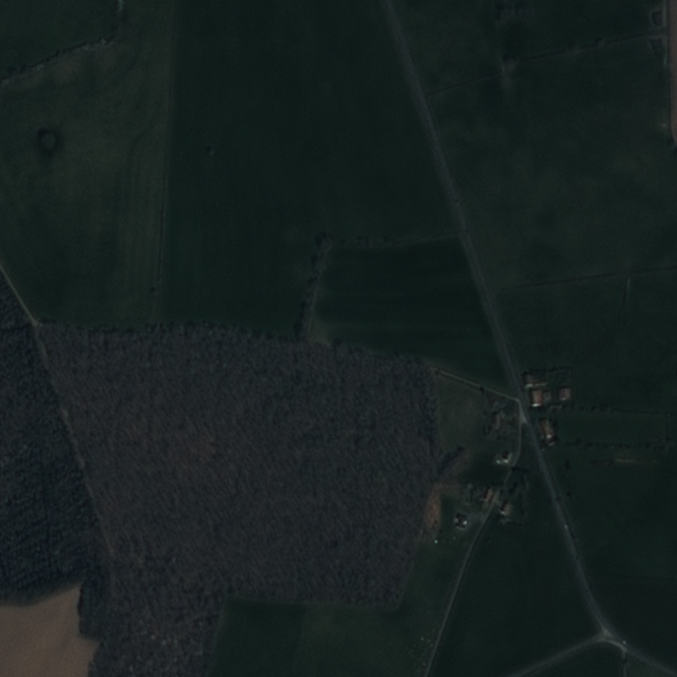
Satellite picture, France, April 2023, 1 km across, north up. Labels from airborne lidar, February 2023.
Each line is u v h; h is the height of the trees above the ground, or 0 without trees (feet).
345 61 0
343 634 0
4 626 0
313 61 0
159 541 65
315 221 0
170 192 0
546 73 0
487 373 0
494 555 0
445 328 0
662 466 0
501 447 0
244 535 75
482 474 0
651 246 0
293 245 0
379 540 86
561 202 0
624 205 0
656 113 0
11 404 51
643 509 0
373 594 59
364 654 0
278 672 0
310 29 0
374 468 81
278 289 0
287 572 70
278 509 86
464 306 0
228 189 0
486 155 0
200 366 67
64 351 53
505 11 56
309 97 0
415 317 0
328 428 82
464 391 0
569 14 0
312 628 0
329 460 85
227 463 77
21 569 57
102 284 0
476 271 0
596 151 0
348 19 0
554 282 0
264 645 0
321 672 0
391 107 0
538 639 0
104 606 61
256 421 80
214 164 0
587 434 0
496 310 0
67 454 59
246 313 0
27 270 0
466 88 0
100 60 0
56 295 0
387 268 0
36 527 59
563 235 0
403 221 0
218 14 0
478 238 0
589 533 0
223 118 0
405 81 0
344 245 27
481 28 0
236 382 86
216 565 71
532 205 0
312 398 79
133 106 0
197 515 73
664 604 0
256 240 0
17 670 0
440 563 0
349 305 0
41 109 0
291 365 79
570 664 0
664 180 0
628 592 0
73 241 0
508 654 0
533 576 0
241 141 0
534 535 0
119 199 0
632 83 0
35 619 0
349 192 0
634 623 0
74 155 0
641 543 0
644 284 0
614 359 0
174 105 0
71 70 0
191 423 72
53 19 0
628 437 0
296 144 0
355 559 84
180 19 0
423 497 69
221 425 78
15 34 0
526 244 0
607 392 0
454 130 0
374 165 0
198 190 0
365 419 77
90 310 0
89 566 51
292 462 82
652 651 0
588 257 0
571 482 0
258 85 0
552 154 0
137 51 0
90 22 0
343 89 0
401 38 0
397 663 0
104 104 0
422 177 0
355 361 71
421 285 0
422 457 74
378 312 0
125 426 64
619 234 0
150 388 75
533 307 0
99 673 49
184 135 0
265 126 0
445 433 0
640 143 0
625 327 0
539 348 0
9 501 51
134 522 64
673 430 0
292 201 0
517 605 0
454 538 0
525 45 0
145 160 0
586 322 0
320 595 67
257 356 83
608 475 0
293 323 0
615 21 0
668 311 0
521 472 30
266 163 0
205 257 0
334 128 0
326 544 73
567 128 0
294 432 80
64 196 0
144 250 0
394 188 0
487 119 0
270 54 0
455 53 0
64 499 76
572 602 0
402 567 71
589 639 0
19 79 21
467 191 0
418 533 53
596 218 0
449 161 0
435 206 0
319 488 77
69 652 0
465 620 0
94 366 72
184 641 28
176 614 40
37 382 56
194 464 72
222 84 0
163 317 0
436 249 0
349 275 0
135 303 0
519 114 0
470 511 0
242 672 0
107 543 64
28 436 57
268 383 77
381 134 0
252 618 0
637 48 0
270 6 0
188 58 0
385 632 0
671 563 0
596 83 0
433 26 0
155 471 71
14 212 0
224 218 0
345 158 0
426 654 0
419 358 0
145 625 47
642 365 0
